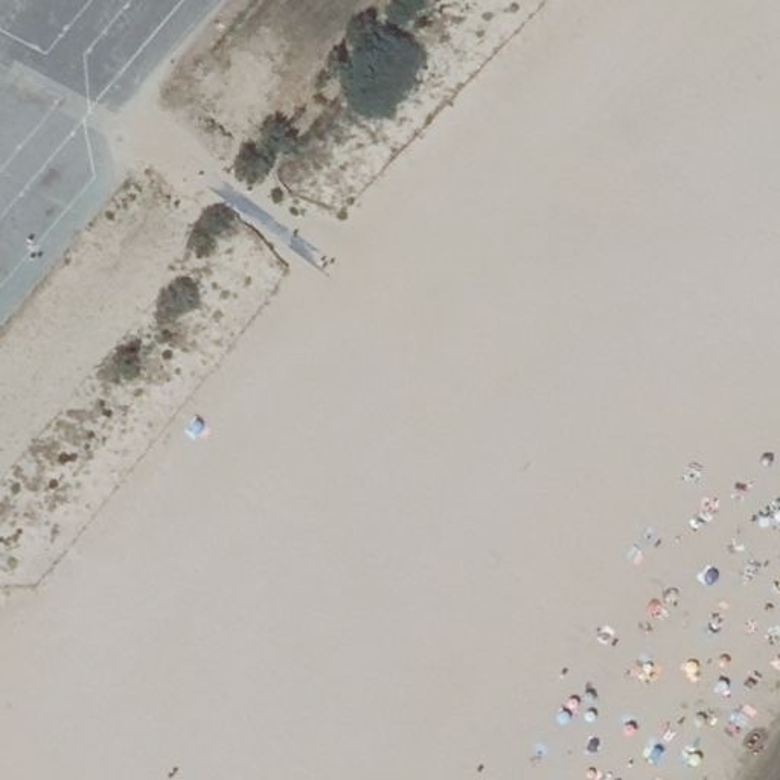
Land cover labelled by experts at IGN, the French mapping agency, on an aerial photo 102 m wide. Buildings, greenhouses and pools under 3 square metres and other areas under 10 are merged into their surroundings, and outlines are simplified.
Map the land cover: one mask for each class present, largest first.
<instances>
[{"label":"bare soil","instance_id":"1","mask_svg":"<svg viewBox=\"0 0 780 780\"><path fill-rule=\"evenodd\" d=\"M445 12L460 15L463 24H451V40L430 46L427 52V64L417 73V88L408 91L396 113L390 119L363 116L347 131V140L332 146L329 161L320 171L305 174L299 198L302 216L289 213V201L280 189H274L277 177L271 171L259 183H244L235 174H229L222 165L216 171L198 168L204 189L180 195V207L168 213L165 235L177 238L186 247V244L192 225L210 204H225L229 210H235V216L253 222L256 229H262L265 238L274 241L280 256L289 262V274H280L253 238L229 235L216 241L210 256L216 283H222L232 293V299L207 293L204 302L222 311V320H216L210 329L198 335L195 350L174 353L171 363L180 366V378L152 384L143 396H131L125 384L101 381V399L110 402L113 417L85 420V430H91L94 436H107V442L94 448V457L88 463L73 460L52 463L46 469L49 481L58 478L67 484V503H61L58 509H49L46 491L18 494L15 506L34 509L37 521L30 524L27 518H18V567L0 570V780H780V0H445Z\"/></svg>","mask_w":780,"mask_h":780},{"label":"pervious surface","instance_id":"2","mask_svg":"<svg viewBox=\"0 0 780 780\"><path fill-rule=\"evenodd\" d=\"M213 15H222L216 3L158 61V67L140 82V88L101 128L113 161V180L122 183L134 171L155 168L165 177V186L174 195H180L204 189L198 168L216 171L222 165L229 174H235L241 146L259 140L262 119L274 113L265 104V94L277 88L274 70L283 64L289 40L277 37L271 27H259V34L247 40L241 52H232L229 70H213L198 82L201 94H225L216 104V119L204 122V131H195L186 122L183 110H168L161 104V85L174 73L177 61L183 55H195L198 49L213 46V40L229 27L225 21H213ZM128 225H119L116 219L94 222V229L79 232V238L70 241V265L52 274V280L37 293V299L27 302L24 317L15 320L9 326V335L0 341V478L12 484V466H21L24 475H34L37 463L30 457V442L40 433V427L55 420L58 411L91 408L101 399V363L116 353L119 344L134 341L140 329H146L155 320L158 293L174 280L168 274V262L177 259L186 247L177 238L165 235L158 238V247H122Z\"/></svg>","mask_w":780,"mask_h":780},{"label":"impervious surface","instance_id":"3","mask_svg":"<svg viewBox=\"0 0 780 780\"><path fill-rule=\"evenodd\" d=\"M216 3V0H0V341L9 335V326L15 320L24 317L27 302L37 299V293L52 280V274L70 265V241L79 238V232L85 213L101 198H110L122 183L113 180V161L101 128L140 88V82L158 67V61Z\"/></svg>","mask_w":780,"mask_h":780},{"label":"herbaceous vegetation","instance_id":"4","mask_svg":"<svg viewBox=\"0 0 780 780\"><path fill-rule=\"evenodd\" d=\"M222 15H213V21H225L229 27L213 40V46L198 49L195 55H183L177 61L174 73L161 85V104L168 110H183L186 122L195 131H204V122L216 119V104L225 94H201L198 82L213 70H229L232 52H241L247 40L259 34V27H271L277 37L289 40L283 64L274 70L277 88L265 94V104L274 113L289 116L296 107H305V116L296 122V131H308L320 116V104L314 101V79L326 67L335 46L344 40L350 18L363 9L390 6V0H216V3ZM451 24H463L460 15L445 12V0H427L405 24V30L427 52L430 46L451 40ZM363 116L344 110L338 128L326 140L302 146L299 155L277 152L271 171L277 177L274 189H280L289 201V213L302 216L299 198L305 174L320 171L329 161L332 146L347 140V131ZM180 207V195H174L165 186V177L155 168L134 171L122 183L110 198H101L85 213L79 232L94 229V222L116 219L119 225H128L122 247H158V238L165 235L168 213ZM229 235L253 238L280 274H289V262L280 256L274 241L265 238L262 229H256L253 222L235 216ZM168 274L174 280H195L201 302L195 311L180 314V341H158L140 360V375L125 384L131 396H143L152 384L180 378V366L171 363L174 353L195 350L198 335L210 329L216 320H222V311L204 302L207 293L232 299V293L222 283H216L210 256H198L186 244V247L177 259L168 262ZM113 417L110 402L101 399L91 408L58 411L55 420L40 427V433L30 442V457L37 463L34 475H24L21 466H12V484L0 478V570L18 567V518H27L30 524L37 521L34 509L15 506L18 494L46 491L49 509H58L61 503H67V484L58 478L49 481L46 469L52 463L73 460L88 463L94 457V448L107 442V436H94L91 430H85V420Z\"/></svg>","mask_w":780,"mask_h":780},{"label":"brushwood","instance_id":"5","mask_svg":"<svg viewBox=\"0 0 780 780\"><path fill-rule=\"evenodd\" d=\"M427 0H390V6L363 9L350 18L344 40L335 46L326 67L314 79V101L320 104V116L308 131H296V122L305 116V107H296L289 116L274 113L262 119L259 140L241 146L235 174L244 183H259L271 171L277 152L299 155L302 146L326 140L338 128L344 110L363 116L390 119L396 113L408 91L417 88V73L427 64V52L405 30V24ZM235 216V210H229L225 204H210L192 225L186 244L198 256H210L216 241L229 235ZM201 302L195 280H174L158 293L155 320L146 329H140L134 341L119 344L116 353L101 363V381L125 384L140 375V360L158 341H180V314L195 311Z\"/></svg>","mask_w":780,"mask_h":780}]
</instances>
